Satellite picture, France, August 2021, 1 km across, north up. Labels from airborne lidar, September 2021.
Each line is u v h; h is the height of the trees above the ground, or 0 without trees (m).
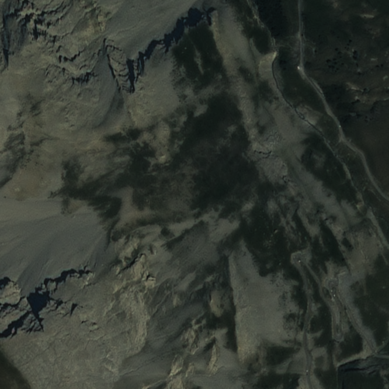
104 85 0
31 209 0
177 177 0
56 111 0
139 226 0
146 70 0
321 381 0
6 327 0
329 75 0
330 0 0
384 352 0
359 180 0
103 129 0
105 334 0
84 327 0
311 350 0
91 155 0
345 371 0
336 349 0
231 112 0
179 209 0
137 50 0
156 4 0
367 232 0
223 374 0
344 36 0
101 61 0
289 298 0
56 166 0
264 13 7
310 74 0
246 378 0
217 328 0
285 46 0
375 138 0
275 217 0
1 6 0
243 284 0
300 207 0
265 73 0
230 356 0
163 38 0
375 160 0
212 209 0
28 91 0
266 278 0
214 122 0
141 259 0
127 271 0
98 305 0
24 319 0
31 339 0
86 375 0
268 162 0
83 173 0
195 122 0
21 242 0
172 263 0
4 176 0
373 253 0
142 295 0
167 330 0
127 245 0
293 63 0
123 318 0
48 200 0
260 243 0
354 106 10
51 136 0
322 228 0
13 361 0
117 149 0
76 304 0
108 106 0
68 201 0
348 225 0
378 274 0
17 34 0
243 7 0
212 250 0
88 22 0
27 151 0
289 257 0
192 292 0
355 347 0
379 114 0
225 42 0
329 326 0
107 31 0
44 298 0
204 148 0
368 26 0
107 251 0
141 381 0
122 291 0
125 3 0
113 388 0
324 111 0
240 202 0
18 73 0
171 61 0
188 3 0
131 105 0
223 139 0
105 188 0
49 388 0
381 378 0
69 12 0
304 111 0
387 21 0
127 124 0
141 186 0
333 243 0
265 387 0
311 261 0
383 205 0
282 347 0
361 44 0
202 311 0
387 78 0
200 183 0
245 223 0
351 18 0
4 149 0
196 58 0
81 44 0
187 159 0
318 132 0
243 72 0
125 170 0
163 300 0
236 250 0
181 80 0
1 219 0
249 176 0
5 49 0
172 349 0
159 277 0
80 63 0
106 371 0
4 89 0
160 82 0
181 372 0
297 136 0
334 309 0
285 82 0
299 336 0
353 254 0
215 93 0
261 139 0
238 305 0
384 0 0
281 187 0
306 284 0
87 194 0
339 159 0
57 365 0
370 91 0
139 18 0
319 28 0
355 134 0
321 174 0
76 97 0
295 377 0
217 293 0
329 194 0
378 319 0
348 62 0
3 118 0
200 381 0
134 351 0
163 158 0
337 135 0
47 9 0
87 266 0
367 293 0
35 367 0
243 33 0
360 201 0
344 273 0
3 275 0
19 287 0
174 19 0
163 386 0
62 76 0
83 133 0
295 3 0
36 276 0
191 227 0
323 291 0
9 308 0
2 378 0
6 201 0
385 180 0
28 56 0
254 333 0
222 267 0
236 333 0
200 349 0
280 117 0
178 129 0
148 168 0
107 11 0
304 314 0
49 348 0
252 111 0
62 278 0
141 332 0
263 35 0
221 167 0
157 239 0
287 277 0
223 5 0
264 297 0
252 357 0
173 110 0
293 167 0
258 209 0
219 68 0
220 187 0
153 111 0
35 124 0
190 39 0
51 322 0
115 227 0
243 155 0
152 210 0
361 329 0
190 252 0
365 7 0
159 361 0
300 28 0
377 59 0
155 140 0
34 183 0
